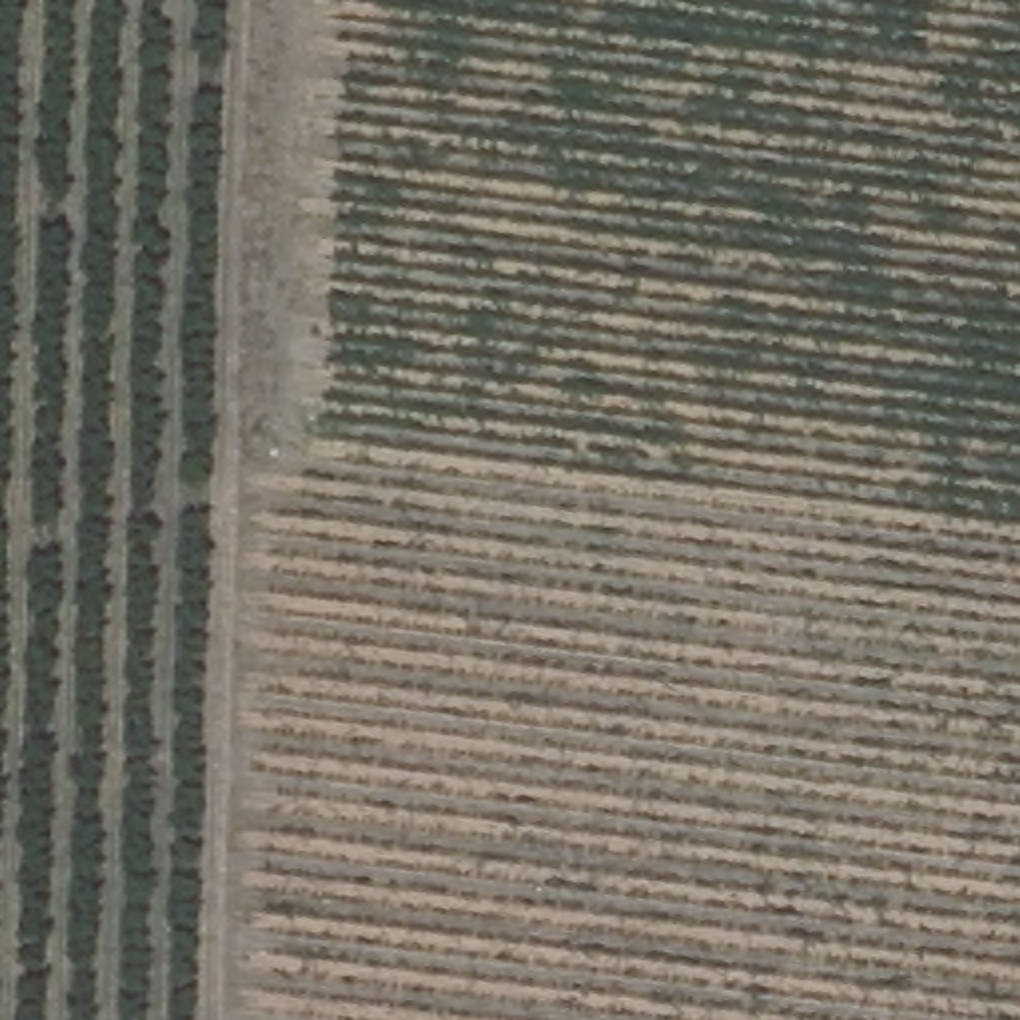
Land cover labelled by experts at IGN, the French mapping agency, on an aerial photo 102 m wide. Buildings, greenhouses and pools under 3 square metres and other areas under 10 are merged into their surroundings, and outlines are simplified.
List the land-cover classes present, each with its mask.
<instances>
[{"label":"vineyard","instance_id":"1","mask_svg":"<svg viewBox=\"0 0 1020 1020\"><path fill-rule=\"evenodd\" d=\"M339 40L359 44L347 56L343 100L335 120L339 159L331 199L339 223L327 295V315L331 323H343V335L331 339L335 379L331 390H323V414L303 422V434L315 438L311 458L319 466H303L299 478L255 474L251 466L227 454L215 462V546L203 673L207 781L199 853V1020H1020V0H355L351 12H339Z\"/></svg>","mask_w":1020,"mask_h":1020},{"label":"deciduous trees","instance_id":"2","mask_svg":"<svg viewBox=\"0 0 1020 1020\"><path fill-rule=\"evenodd\" d=\"M227 0H0V1020H199V853L207 781L203 673L215 546V187Z\"/></svg>","mask_w":1020,"mask_h":1020},{"label":"plowed land","instance_id":"3","mask_svg":"<svg viewBox=\"0 0 1020 1020\"><path fill-rule=\"evenodd\" d=\"M355 0H227L215 187V462L227 454L251 466L255 474L299 478L303 466H319L311 458L315 438L303 434V422L323 414V390H331L335 379L331 339L343 335V323H331L327 315V295L339 223L331 199L339 159L335 120L343 100L347 56L359 44L339 40V12H351Z\"/></svg>","mask_w":1020,"mask_h":1020}]
</instances>
